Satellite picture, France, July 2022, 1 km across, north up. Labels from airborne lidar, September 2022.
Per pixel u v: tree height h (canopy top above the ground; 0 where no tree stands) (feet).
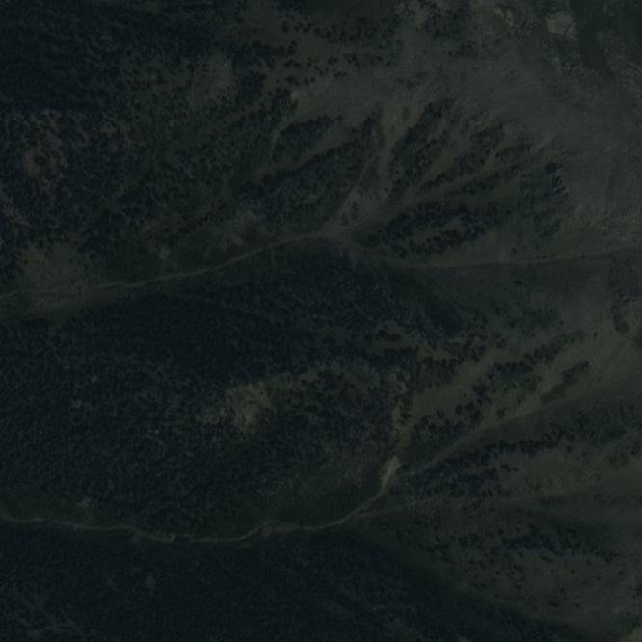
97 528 0
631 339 0
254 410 0
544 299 0
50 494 19
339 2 0
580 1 0
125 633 20
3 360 30
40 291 0
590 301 0
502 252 0
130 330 20
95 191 57
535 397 0
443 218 20
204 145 20
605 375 0
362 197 0
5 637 35
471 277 0
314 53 0
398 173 22
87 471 42
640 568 0
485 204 0
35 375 27
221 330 19
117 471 63
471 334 19
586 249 0
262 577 18
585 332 0
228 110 23
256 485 20
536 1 0
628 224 0
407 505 0
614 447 0
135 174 21
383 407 27
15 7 27
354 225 0
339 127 0
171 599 34
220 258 0
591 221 0
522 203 0
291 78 27
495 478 27
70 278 0
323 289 32
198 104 0
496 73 0
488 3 0
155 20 34
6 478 37
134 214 53
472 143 0
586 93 0
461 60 0
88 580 20
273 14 0
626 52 0
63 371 57
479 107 0
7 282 26
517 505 0
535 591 0
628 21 0
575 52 0
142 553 18
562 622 0
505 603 0
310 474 0
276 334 20
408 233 37
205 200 0
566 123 0
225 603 27
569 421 0
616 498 0
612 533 0
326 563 22
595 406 0
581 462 0
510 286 0
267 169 0
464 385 0
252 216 0
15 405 37
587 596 0
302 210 38
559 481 0
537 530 30
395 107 0
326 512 0
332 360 31
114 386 28
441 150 0
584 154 0
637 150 0
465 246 0
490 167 0
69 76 24
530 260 0
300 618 30
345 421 23
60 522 0
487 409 0
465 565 0
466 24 0
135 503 25
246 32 0
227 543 0
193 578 24
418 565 0
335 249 0
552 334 0
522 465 0
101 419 36
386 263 0
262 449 19
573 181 0
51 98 25
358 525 0
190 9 38
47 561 24
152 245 0
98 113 27
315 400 27
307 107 0
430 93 0
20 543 26
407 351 30
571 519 0
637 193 0
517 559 0
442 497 0
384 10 0
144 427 33
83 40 34
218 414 0
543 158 0
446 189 0
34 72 22
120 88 27
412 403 25
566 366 0
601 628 0
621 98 0
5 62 31
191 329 22
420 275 0
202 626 29
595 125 0
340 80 0
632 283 0
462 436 0
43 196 64
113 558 26
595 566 0
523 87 0
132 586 56
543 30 0
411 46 0
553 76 0
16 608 43
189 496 23
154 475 23
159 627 27
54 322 0
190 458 33
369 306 29
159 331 28
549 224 0
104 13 20
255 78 24
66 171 73
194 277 0
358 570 26
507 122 0
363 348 0
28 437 34
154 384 24
